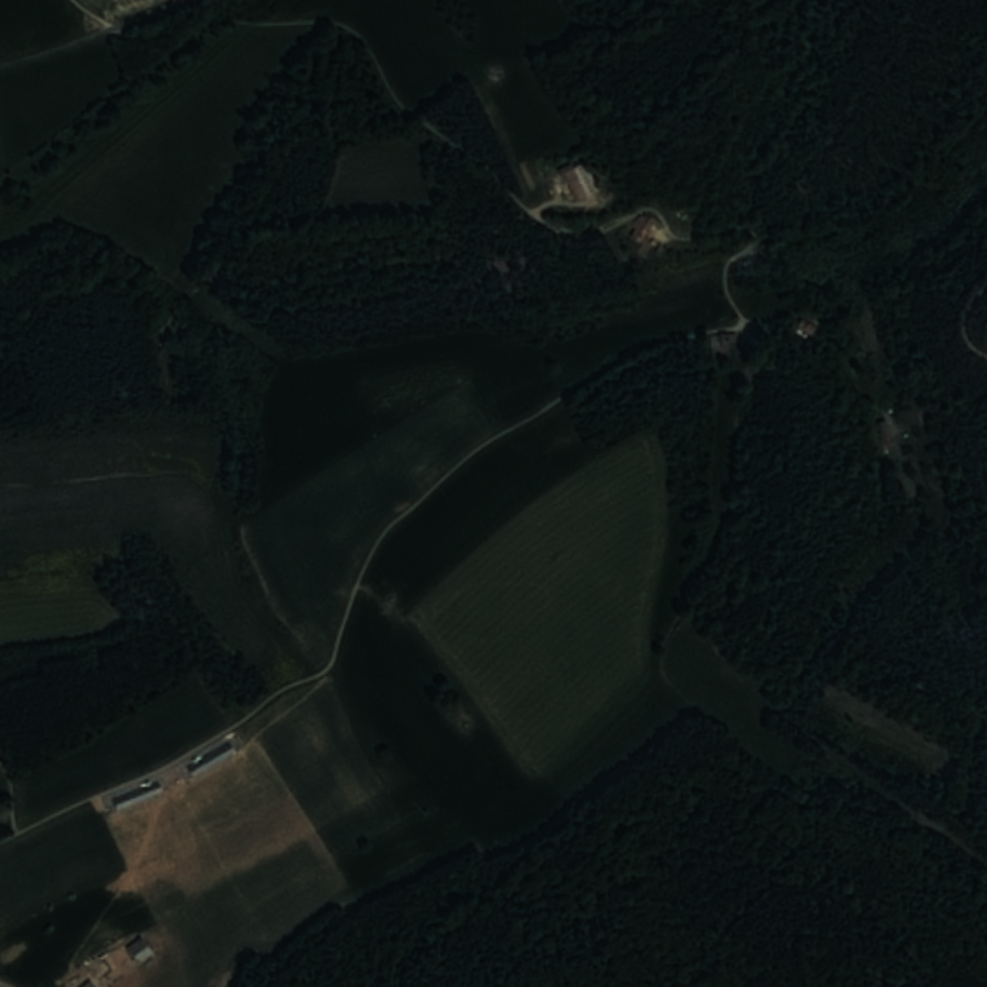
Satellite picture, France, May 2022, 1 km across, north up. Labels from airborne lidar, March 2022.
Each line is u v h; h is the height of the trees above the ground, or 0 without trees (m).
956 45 12
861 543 13
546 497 0
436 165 12
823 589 17
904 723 12
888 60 12
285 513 0
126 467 0
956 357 7
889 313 19
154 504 0
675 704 0
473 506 0
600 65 18
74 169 0
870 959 13
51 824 0
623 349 0
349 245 27
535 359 0
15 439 0
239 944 0
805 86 21
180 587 13
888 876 16
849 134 9
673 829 17
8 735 17
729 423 0
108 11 0
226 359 16
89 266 29
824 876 6
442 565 0
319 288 17
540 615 0
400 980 21
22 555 0
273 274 15
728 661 20
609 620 0
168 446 0
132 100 17
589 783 0
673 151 25
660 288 0
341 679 0
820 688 23
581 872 23
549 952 16
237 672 14
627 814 21
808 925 17
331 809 0
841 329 19
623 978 15
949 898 19
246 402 22
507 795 0
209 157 0
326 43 25
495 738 0
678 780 23
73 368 22
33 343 22
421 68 0
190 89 0
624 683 0
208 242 19
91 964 0
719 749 24
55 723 17
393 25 0
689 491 18
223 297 22
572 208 0
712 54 12
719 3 14
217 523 0
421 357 0
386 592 0
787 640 15
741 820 13
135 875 0
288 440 0
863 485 13
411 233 21
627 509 0
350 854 0
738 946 14
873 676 17
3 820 0
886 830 15
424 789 0
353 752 0
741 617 17
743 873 18
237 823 0
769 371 12
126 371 23
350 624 0
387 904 14
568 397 10
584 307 15
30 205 14
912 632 23
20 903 0
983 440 9
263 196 16
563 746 0
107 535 0
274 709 0
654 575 0
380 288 19
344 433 0
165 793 0
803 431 7
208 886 0
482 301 14
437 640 0
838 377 20
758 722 0
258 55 0
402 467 0
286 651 0
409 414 0
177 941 0
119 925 0
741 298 0
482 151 19
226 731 0
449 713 0
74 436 0
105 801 0
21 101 0
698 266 0
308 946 17
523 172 0
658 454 0
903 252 13
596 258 18
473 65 0
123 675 18
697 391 19
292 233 28
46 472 0
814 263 23
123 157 0
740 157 17
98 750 0
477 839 0
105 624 0
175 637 18
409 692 0
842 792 23
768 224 10
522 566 0
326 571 0
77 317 16
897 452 0
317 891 0
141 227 0
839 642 8
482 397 0
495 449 0
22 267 23
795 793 19
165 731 0
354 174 0
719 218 10
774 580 24
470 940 21
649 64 18
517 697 0
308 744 0
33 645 10
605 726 0
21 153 0
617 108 17
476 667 0
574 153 10
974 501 18
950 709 19
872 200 12
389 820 0
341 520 0
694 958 14
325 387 0
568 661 0
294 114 25
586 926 15
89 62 0
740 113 21
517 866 19
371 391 0
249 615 0
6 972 0
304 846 0
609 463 0
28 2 0
